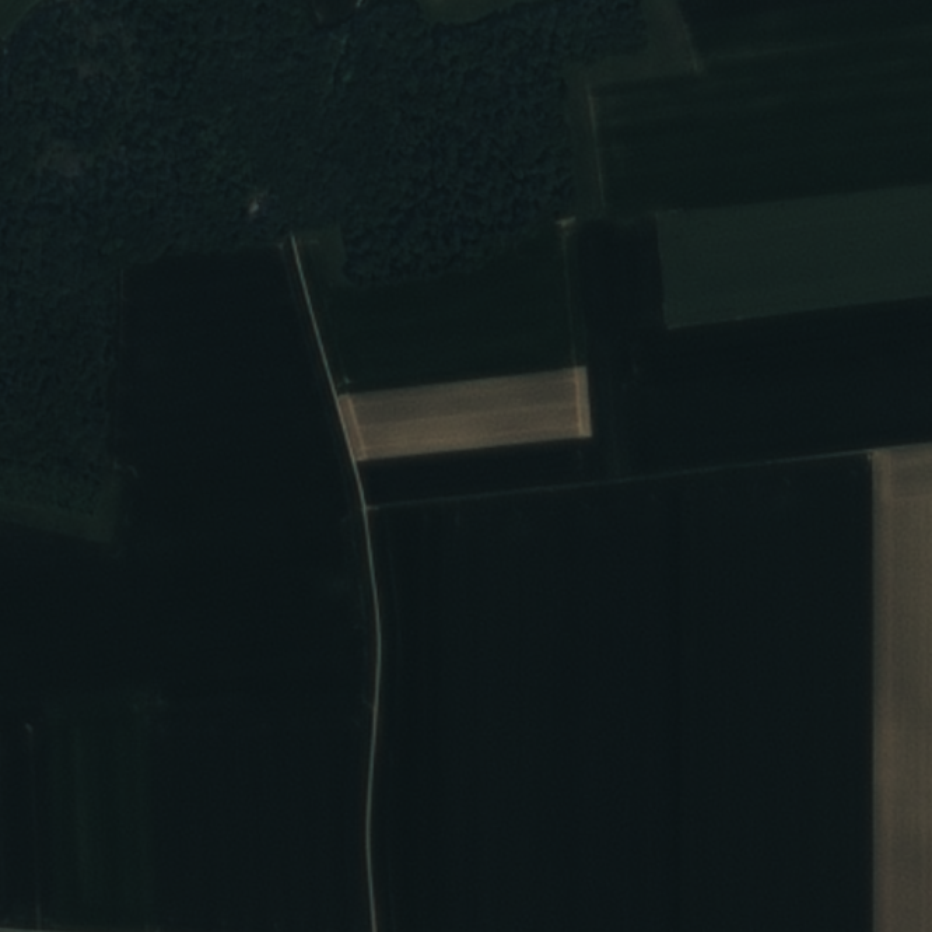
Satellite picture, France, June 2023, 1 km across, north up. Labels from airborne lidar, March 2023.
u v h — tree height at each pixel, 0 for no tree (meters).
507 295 0
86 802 0
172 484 0
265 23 26
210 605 0
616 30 19
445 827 0
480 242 10
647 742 0
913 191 0
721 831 0
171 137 23
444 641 0
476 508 0
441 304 0
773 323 0
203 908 0
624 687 0
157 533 0
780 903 0
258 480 0
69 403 20
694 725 0
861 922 0
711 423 0
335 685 0
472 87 18
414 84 23
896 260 0
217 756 0
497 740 0
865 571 0
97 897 0
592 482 0
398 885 0
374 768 0
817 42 0
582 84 0
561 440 0
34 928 0
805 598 0
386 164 26
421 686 0
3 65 13
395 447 0
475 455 0
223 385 0
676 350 0
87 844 0
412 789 0
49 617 0
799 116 0
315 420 0
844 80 0
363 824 0
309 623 0
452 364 0
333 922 0
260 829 0
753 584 0
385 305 0
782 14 0
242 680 0
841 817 0
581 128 0
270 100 23
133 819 0
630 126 0
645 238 0
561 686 0
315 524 0
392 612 0
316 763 0
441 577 0
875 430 0
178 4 20
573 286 0
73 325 21
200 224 19
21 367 23
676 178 0
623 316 0
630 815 0
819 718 0
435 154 17
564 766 0
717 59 0
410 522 0
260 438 0
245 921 0
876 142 0
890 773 0
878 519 0
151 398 0
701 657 0
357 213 23
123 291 0
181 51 11
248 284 0
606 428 0
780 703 0
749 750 0
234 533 0
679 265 0
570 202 17
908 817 0
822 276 0
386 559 0
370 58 21
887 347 0
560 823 0
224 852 0
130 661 0
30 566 0
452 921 0
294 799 0
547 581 0
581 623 0
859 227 0
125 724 0
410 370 0
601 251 0
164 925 0
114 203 25
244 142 20
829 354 0
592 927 0
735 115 0
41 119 10
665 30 0
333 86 18
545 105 27
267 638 0
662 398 0
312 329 0
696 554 0
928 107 0
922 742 0
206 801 0
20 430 24
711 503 0
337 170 20
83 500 13
